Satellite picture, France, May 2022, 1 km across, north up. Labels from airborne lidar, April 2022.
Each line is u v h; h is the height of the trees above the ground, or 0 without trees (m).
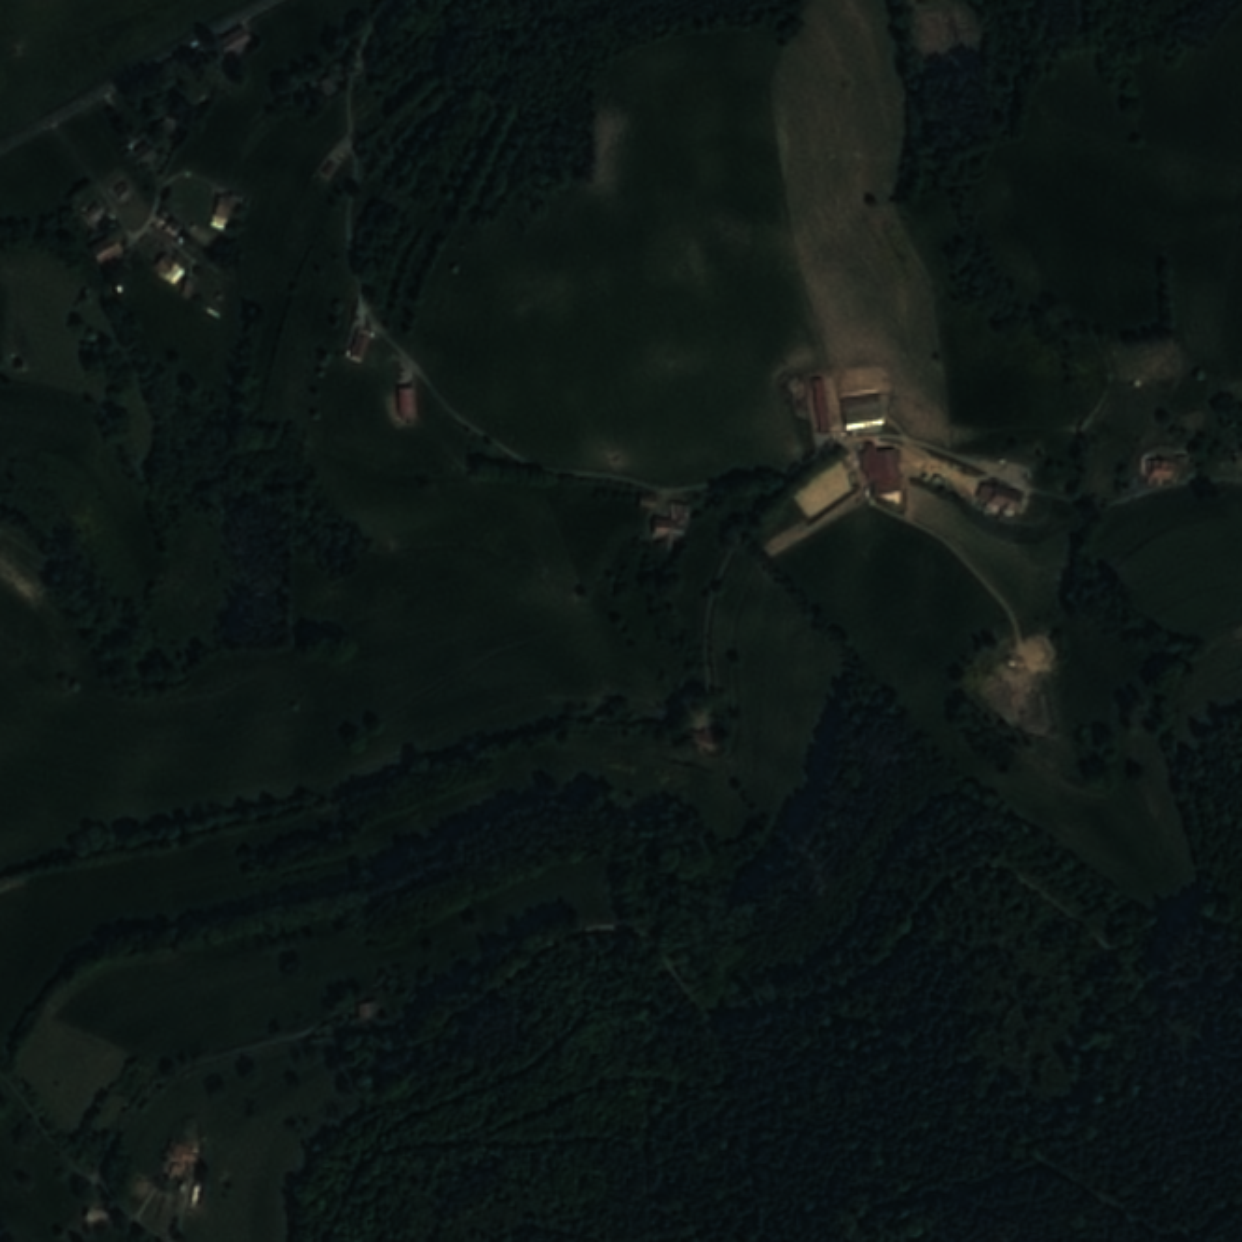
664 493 0
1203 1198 16
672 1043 19
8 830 0
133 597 0
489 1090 11
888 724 25
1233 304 0
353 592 0
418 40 10
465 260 0
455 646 0
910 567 0
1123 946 17
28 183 0
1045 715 0
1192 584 0
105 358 16
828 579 0
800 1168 21
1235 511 0
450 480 0
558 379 0
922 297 0
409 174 14
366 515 0
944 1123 27
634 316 0
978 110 25
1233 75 0
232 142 0
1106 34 18
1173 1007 32
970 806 21
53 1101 0
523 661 0
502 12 14
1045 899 9
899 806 14
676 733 9
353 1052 16
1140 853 0
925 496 0
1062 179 0
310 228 0
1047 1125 24
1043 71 8
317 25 0
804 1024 24
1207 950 41
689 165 0
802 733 0
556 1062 11
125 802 0
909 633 0
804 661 0
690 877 21
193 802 0
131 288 0
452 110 11
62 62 0
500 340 0
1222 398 7
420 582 0
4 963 0
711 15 10
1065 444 0
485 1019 23
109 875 0
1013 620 0
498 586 0
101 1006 0
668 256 0
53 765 0
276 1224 0
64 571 21
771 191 0
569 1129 10
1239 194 0
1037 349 0
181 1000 0
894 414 0
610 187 0
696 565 0
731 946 31
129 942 17
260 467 14
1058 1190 22
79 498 0
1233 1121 32
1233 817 10
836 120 0
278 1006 0
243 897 0
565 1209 9
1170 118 0
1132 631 17
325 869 0
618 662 0
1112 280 0
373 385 0
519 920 0
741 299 0
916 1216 23
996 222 0
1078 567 10
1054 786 0
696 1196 27
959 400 0
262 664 0
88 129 0
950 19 0
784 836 7
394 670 0
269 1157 0
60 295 0
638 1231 20
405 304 0
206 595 0
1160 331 14
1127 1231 24
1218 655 0
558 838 25
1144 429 0
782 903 28
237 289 0
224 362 0
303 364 0
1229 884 11
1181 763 23
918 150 19
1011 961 11
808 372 0
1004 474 0
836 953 19
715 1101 19
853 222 0
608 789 17
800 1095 22
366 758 0
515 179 22
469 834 23
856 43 0
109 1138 5
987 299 16
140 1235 14
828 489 0
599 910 0
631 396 0
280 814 9
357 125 0
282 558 23
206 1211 0
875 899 21
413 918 8
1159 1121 34
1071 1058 18
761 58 0
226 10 0
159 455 13
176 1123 0
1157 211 0
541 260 0
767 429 0
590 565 0
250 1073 15
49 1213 0
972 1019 11
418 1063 21
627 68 0
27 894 0
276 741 0
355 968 0
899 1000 14
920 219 0
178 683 7
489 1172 13
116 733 0
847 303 0
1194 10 21
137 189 0
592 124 10
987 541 0
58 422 0
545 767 0
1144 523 0
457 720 0
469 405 0
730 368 0
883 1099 24
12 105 0
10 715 0
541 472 14
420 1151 8
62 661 0
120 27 0
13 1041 11
